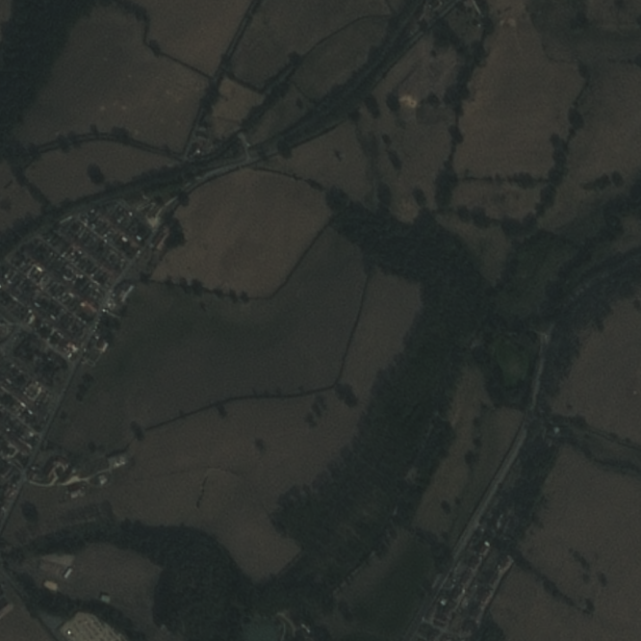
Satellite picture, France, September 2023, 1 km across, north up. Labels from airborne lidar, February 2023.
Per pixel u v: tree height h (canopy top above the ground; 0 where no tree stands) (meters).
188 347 0
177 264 0
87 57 0
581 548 0
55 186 0
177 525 0
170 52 0
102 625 0
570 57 0
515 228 19
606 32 0
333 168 0
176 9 0
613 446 0
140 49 0
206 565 14
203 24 0
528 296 0
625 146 0
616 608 0
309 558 0
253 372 0
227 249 0
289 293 0
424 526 0
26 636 0
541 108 0
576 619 0
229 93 0
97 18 0
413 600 0
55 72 0
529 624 0
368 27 0
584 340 0
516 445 0
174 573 15
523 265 0
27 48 24
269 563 0
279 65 0
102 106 0
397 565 0
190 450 0
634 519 0
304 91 0
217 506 0
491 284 0
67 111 0
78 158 0
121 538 17
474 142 0
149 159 0
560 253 0
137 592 0
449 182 18
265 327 0
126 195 0
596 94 0
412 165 0
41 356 7
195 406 0
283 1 0
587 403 0
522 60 0
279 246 0
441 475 0
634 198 15
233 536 0
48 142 0
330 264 0
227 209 0
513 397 8
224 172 0
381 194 17
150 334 0
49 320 0
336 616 0
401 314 0
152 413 0
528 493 18
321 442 0
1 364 0
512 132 0
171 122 0
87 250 0
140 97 0
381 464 0
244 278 0
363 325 0
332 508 0
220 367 0
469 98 0
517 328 21
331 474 18
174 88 0
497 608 0
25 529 0
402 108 0
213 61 0
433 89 0
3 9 0
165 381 0
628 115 0
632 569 0
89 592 0
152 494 0
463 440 0
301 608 16
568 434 8
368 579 0
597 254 0
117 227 0
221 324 0
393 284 0
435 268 25
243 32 0
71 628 0
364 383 0
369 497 0
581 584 0
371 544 0
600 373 0
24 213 0
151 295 0
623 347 0
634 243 0
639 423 0
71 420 0
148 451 0
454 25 0
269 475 0
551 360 14
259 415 0
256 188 0
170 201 0
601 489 0
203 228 0
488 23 18
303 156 0
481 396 0
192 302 0
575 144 0
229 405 0
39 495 0
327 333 0
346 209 9
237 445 0
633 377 0
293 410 0
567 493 0
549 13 0
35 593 20
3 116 25
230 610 12
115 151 0
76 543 16
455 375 19
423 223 22
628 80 0
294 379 0
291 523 0
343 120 0
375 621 0
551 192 14
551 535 0
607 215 17
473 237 0
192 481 0
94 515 26
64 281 0
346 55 0
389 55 13
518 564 14
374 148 0
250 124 11
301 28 0
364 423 17
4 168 0
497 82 0
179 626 8
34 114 0
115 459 0
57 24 23
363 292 0
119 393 0
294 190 0
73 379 0
